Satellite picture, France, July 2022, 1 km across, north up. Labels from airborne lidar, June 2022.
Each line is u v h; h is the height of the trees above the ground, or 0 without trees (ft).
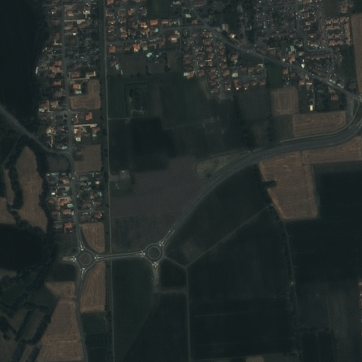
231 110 0
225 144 0
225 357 0
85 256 0
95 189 47
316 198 0
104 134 39
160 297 0
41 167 78
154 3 0
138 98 36
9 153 0
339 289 0
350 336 0
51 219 40
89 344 24
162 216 0
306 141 0
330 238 0
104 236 0
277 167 0
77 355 0
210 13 26
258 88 0
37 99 65
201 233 0
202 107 0
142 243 0
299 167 0
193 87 0
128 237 0
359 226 0
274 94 0
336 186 0
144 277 0
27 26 0
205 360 0
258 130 0
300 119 0
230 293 0
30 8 0
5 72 0
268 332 0
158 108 0
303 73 0
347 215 0
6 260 0
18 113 0
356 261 0
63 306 0
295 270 0
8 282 68
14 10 0
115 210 0
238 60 41
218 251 0
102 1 0
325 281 0
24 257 0
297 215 0
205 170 0
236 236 0
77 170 0
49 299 0
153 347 0
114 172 0
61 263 0
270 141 33
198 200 0
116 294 0
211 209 0
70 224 0
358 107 0
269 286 0
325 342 0
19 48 0
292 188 0
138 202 0
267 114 0
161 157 0
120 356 0
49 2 21
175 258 0
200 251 0
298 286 0
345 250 0
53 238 49
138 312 0
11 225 0
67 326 0
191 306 0
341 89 0
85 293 0
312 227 0
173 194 0
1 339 0
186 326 0
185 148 0
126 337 0
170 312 0
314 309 0
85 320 0
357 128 0
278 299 0
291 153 0
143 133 0
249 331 0
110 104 0
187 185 0
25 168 0
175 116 0
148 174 0
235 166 0
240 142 0
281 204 0
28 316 53
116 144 0
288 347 0
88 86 0
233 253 0
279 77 0
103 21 0
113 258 0
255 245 0
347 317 0
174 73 0
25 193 0
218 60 0
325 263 0
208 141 0
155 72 0
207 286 0
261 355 0
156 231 0
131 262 0
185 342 0
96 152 0
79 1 0
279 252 0
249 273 0
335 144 0
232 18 0
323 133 0
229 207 0
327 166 0
